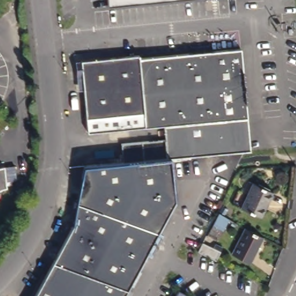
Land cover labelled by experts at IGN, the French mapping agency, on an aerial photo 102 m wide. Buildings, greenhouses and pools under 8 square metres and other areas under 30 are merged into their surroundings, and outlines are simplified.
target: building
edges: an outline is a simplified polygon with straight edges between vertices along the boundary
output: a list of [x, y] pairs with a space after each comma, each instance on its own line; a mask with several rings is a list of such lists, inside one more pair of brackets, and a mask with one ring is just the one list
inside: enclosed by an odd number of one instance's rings
[[232, 253], [240, 260], [243, 259], [245, 265], [252, 266], [259, 246], [264, 247], [266, 244], [264, 238], [257, 236], [259, 231], [258, 225], [253, 227], [250, 222], [239, 227], [230, 245]]
[[109, 0], [110, 6], [170, 0]]
[[201, 245], [199, 253], [201, 256], [217, 260], [221, 256], [220, 251], [209, 246]]
[[17, 175], [22, 175], [24, 171], [21, 166], [0, 168], [0, 198], [9, 190]]
[[77, 71], [77, 84], [72, 98], [79, 99], [80, 92], [83, 92], [89, 132], [142, 127], [148, 124], [148, 127], [165, 128], [165, 150], [171, 160], [232, 153], [245, 155], [251, 155], [253, 150], [259, 148], [258, 142], [252, 145], [250, 108], [246, 106], [243, 74], [246, 67], [242, 50], [158, 58], [126, 57], [83, 61], [81, 71]]
[[111, 166], [105, 170], [84, 171], [74, 228], [36, 296], [127, 296], [176, 206], [173, 166], [172, 161], [168, 161], [132, 163]]
[[257, 219], [262, 219], [269, 210], [273, 200], [267, 199], [268, 192], [253, 184], [240, 208]]
[[212, 242], [220, 242], [229, 223], [229, 220], [220, 215], [205, 239]]

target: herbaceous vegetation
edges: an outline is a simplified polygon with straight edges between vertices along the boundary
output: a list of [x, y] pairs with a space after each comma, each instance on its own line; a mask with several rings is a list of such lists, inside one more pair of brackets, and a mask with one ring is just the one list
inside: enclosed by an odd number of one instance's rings
[[239, 227], [250, 222], [253, 227], [258, 225], [259, 231], [261, 234], [279, 237], [280, 223], [274, 219], [277, 212], [269, 210], [262, 219], [257, 219], [240, 208], [253, 184], [268, 192], [274, 192], [264, 179], [256, 175], [247, 179], [244, 184], [239, 177], [230, 176], [221, 198], [213, 203], [216, 208], [225, 207], [220, 215], [229, 220], [229, 223], [220, 242], [212, 242], [209, 246], [220, 251], [221, 256], [225, 259], [232, 253], [230, 245]]
[[0, 198], [0, 220], [10, 219], [14, 222], [18, 209], [16, 201], [22, 194], [35, 188], [34, 183], [37, 182], [38, 176], [35, 163], [29, 162], [27, 170], [24, 171], [22, 175], [17, 175], [9, 190]]
[[279, 158], [271, 158], [274, 154], [272, 148], [259, 148], [253, 150], [251, 155], [245, 155], [239, 166], [282, 162]]

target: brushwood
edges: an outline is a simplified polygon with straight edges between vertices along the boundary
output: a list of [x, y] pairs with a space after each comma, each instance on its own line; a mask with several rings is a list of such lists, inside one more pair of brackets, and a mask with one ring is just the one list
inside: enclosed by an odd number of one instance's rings
[[274, 219], [280, 223], [279, 237], [261, 234], [259, 231], [257, 236], [264, 238], [266, 244], [273, 247], [272, 266], [275, 266], [283, 247], [288, 244], [289, 224], [296, 222], [296, 164], [294, 161], [282, 162], [239, 166], [232, 170], [230, 176], [239, 177], [244, 184], [247, 179], [256, 175], [264, 179], [274, 192], [280, 192], [286, 198], [286, 203], [277, 212]]
[[214, 268], [221, 275], [227, 275], [227, 272], [231, 271], [246, 276], [251, 272], [252, 266], [245, 265], [243, 259], [240, 260], [232, 253], [225, 259], [221, 256], [217, 260]]

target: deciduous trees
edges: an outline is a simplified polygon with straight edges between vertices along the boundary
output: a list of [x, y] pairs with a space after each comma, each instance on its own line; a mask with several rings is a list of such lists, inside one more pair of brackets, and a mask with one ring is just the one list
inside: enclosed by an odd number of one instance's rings
[[27, 210], [35, 209], [39, 203], [35, 188], [22, 194], [16, 201], [18, 209], [14, 222], [10, 219], [0, 220], [0, 267], [5, 264], [8, 254], [14, 253], [20, 246], [22, 232], [30, 227], [31, 221]]

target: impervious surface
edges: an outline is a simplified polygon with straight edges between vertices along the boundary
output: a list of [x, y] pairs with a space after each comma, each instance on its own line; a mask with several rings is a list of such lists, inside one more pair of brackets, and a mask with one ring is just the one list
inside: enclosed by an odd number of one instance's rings
[[274, 192], [268, 192], [267, 199], [273, 200], [269, 210], [277, 212], [286, 203], [286, 198], [280, 192]]
[[80, 92], [79, 99], [72, 98], [77, 84], [77, 71], [81, 71], [83, 61], [126, 57], [158, 58], [242, 50], [246, 67], [243, 74], [246, 106], [250, 108], [252, 145], [258, 142], [259, 148], [272, 148], [274, 154], [271, 158], [279, 158], [282, 162], [294, 161], [296, 164], [296, 0], [170, 0], [110, 6], [109, 0], [0, 0], [0, 168], [21, 166], [24, 171], [27, 170], [29, 162], [35, 163], [38, 176], [37, 182], [34, 183], [35, 188], [39, 203], [35, 209], [27, 210], [31, 221], [30, 227], [22, 232], [20, 246], [14, 253], [8, 254], [5, 264], [0, 267], [0, 296], [36, 296], [74, 228], [84, 171], [105, 170], [111, 166], [132, 163], [168, 161], [172, 161], [173, 166], [176, 206], [127, 296], [296, 296], [296, 222], [289, 224], [288, 244], [283, 247], [275, 266], [272, 266], [273, 247], [266, 244], [264, 247], [259, 246], [252, 266], [251, 272], [246, 276], [231, 271], [227, 272], [227, 275], [221, 275], [214, 268], [217, 260], [201, 256], [199, 253], [201, 245], [209, 246], [212, 242], [205, 239], [220, 215], [225, 207], [216, 208], [213, 203], [221, 198], [230, 176], [232, 170], [239, 166], [245, 155], [232, 153], [171, 160], [165, 150], [165, 128], [148, 127], [148, 124], [142, 127], [89, 132], [83, 92]]

